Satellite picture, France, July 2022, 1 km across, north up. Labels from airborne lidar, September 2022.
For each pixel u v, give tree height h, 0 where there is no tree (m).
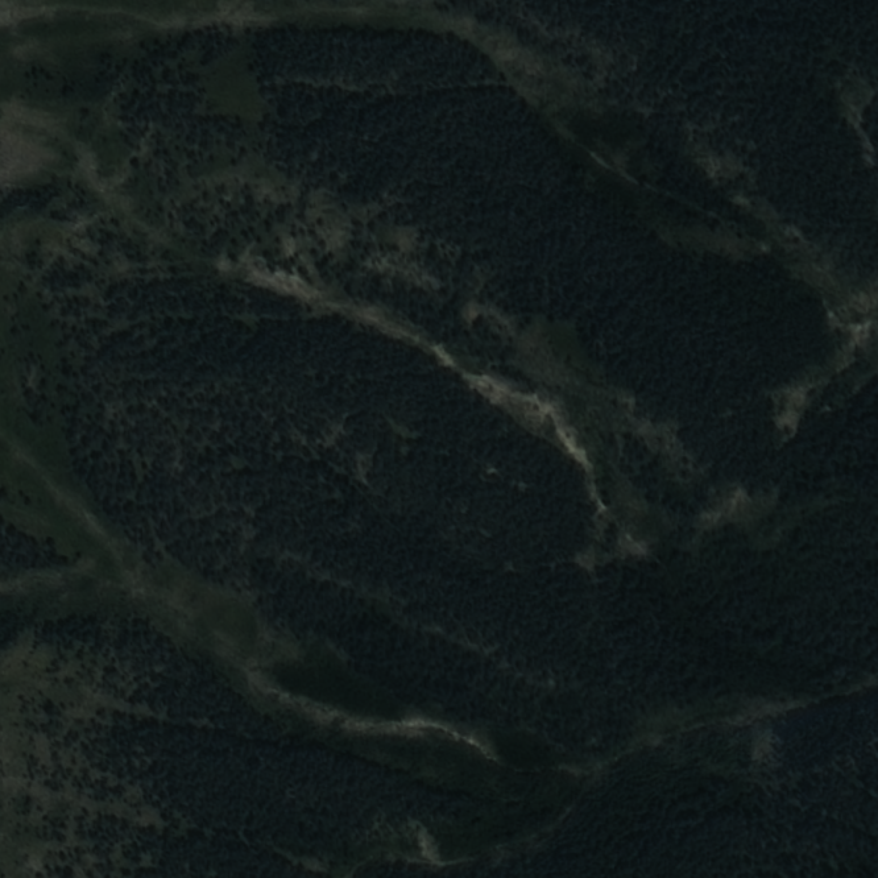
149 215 7
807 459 28
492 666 26
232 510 11
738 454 18
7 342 0
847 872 30
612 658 32
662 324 23
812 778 7
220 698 24
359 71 11
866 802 31
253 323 0
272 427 16
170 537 16
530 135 24
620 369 14
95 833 17
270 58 13
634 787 8
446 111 20
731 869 26
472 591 21
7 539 16
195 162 6
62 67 0
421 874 16
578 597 20
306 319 14
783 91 21
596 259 35
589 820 7
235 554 17
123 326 0
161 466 12
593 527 11
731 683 15
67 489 0
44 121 0
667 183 17
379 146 24
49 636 11
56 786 7
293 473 23
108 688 15
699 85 18
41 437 0
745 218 16
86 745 17
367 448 11
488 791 8
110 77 6
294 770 25
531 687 9
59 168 0
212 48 13
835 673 28
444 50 14
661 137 17
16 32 0
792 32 31
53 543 14
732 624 17
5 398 0
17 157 0
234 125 11
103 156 0
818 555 24
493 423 22
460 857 8
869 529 22
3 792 0
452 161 22
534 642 15
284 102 11
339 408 14
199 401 16
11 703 0
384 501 13
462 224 18
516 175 20
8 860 0
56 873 8
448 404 23
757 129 15
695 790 12
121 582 0
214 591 0
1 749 0
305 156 14
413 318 13
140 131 7
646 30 18
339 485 14
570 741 19
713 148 11
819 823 30
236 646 0
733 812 27
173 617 0
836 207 15
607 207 23
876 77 8
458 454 19
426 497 18
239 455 12
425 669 24
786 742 29
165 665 9
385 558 24
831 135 16
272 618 13
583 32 6
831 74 6
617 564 11
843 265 10
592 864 13
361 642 23
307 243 0
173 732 20
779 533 6
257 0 0
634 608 27
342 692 6
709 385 23
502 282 19
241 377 7
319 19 0
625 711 22
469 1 20
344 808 19
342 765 25
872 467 34
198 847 19
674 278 23
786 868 16
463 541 16
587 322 6
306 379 11
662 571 14
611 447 8
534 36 11
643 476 11
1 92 0
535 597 15
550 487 17
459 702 18
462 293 12
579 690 8
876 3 20
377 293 21
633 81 14
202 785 21
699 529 7
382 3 0
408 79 18
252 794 22
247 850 27
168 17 0
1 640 9
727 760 8
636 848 17
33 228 0
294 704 0
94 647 10
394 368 14
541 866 19
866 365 13
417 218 16
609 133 6
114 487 19
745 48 20
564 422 0
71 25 0
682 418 9
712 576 18
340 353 10
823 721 28
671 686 14
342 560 15
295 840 11
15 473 0
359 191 15
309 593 25
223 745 10
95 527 0
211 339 12
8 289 0
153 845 21
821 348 14
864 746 20
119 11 0
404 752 8
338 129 22
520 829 8
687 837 27
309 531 15
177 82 11
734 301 24
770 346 24
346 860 9
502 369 10
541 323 0
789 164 19
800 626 14
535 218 11
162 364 13
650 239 18
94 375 14
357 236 12
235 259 14
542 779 8
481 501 19
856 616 26
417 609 11
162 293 14
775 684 8
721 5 35
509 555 21
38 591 0
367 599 8
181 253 0
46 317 0
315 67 16
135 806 7
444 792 23
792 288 19
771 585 20
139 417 14
